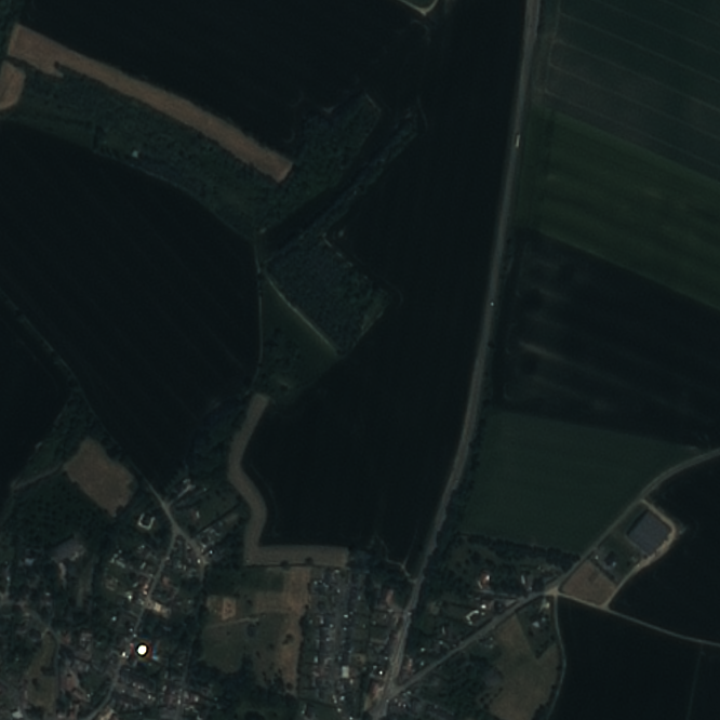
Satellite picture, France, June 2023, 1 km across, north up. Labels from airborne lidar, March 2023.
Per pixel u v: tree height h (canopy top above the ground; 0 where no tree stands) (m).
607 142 0
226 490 6
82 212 0
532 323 0
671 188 0
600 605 0
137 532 8
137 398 0
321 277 11
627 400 0
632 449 0
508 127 0
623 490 0
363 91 6
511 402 0
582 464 0
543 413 0
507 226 0
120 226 0
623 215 0
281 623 0
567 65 0
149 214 0
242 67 0
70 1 0
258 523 0
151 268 0
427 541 0
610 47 0
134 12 0
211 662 0
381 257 0
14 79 0
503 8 0
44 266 0
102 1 0
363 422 0
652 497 0
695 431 0
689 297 0
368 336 0
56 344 0
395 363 0
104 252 0
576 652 0
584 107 0
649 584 0
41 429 0
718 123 0
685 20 0
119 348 0
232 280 0
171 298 0
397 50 0
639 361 0
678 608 0
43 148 0
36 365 0
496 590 14
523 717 0
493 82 0
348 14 0
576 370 0
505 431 0
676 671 0
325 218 11
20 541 18
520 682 0
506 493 0
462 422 0
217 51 0
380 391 0
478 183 0
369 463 0
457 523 6
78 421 8
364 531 0
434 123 0
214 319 0
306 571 0
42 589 7
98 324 0
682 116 0
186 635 13
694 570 0
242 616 0
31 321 0
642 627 0
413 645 9
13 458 0
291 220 0
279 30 0
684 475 0
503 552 9
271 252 0
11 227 0
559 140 0
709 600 0
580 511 0
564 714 0
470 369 0
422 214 0
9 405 0
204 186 12
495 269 0
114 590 0
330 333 11
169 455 0
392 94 0
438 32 0
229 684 13
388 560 0
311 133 13
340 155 10
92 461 0
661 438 0
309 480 0
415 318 0
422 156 0
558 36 0
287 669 0
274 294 0
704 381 0
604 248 0
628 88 0
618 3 0
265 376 8
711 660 0
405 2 0
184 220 0
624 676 0
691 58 0
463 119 0
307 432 0
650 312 0
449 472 0
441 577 13
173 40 0
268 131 0
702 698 0
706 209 0
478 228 0
